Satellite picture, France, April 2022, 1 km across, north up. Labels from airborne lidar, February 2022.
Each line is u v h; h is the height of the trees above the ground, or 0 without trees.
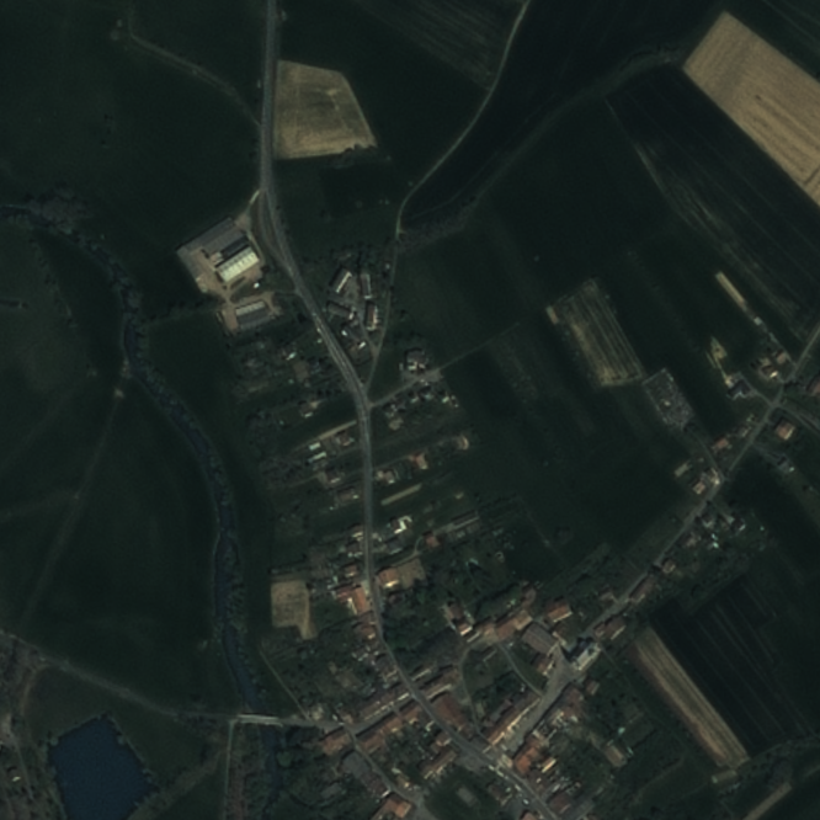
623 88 0
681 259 0
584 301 0
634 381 0
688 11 0
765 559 0
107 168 0
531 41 0
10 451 0
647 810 0
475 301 0
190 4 0
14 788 0
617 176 0
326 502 0
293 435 0
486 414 0
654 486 0
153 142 0
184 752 0
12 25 0
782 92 0
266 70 0
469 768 0
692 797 0
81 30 0
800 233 0
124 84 0
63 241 0
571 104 0
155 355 0
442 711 0
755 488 0
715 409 0
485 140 0
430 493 0
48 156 0
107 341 0
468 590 9
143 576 0
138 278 0
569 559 0
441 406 0
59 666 0
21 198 0
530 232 0
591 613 10
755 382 0
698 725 0
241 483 0
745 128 0
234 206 0
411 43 0
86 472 0
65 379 0
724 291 0
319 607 0
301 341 0
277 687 0
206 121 0
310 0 0
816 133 0
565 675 0
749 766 0
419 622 12
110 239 0
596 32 0
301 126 0
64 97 0
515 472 0
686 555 0
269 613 0
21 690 22
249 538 0
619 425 0
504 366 0
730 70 0
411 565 0
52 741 13
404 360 0
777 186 0
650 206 0
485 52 0
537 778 0
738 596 0
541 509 0
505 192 0
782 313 0
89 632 0
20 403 0
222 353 0
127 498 0
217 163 0
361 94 0
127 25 0
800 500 0
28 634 0
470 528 0
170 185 0
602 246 0
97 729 0
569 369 0
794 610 0
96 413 0
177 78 0
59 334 0
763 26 0
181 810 0
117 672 0
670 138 0
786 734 0
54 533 0
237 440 0
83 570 0
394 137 0
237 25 0
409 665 24
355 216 0
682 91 0
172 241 0
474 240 0
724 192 0
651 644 0
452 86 0
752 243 0
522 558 0
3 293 0
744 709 0
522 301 0
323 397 11
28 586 0
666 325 0
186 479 0
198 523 0
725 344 0
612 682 0
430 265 0
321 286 0
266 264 0
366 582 0
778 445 0
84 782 0
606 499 0
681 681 0
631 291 0
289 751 15
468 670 0
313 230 0
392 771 0
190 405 0
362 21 0
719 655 0
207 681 0
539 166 0
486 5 0
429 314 0
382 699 0
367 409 0
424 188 0
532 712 0
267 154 0
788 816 0
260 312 0
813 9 0
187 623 0
